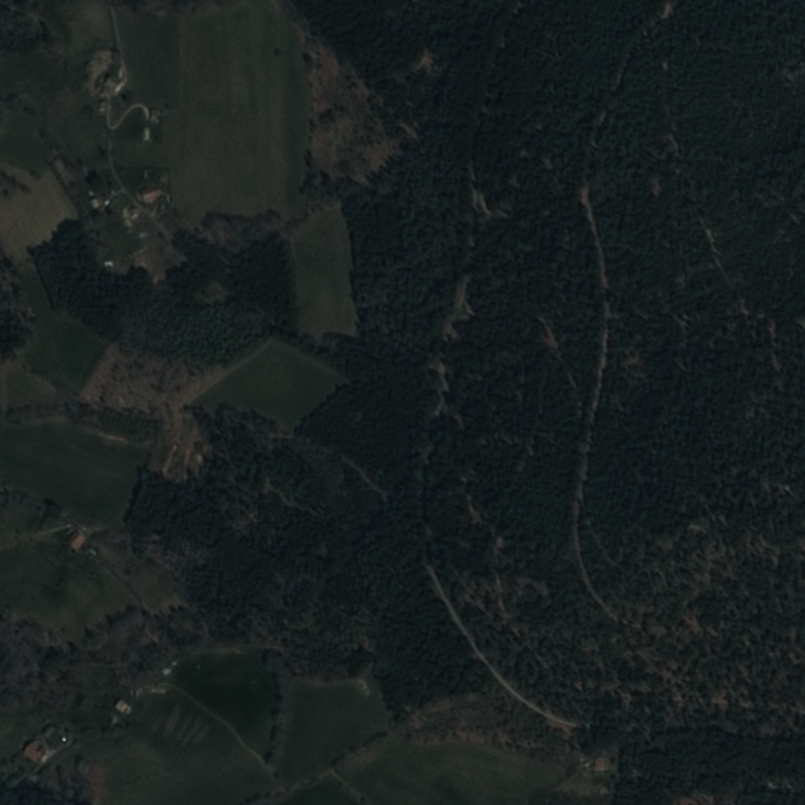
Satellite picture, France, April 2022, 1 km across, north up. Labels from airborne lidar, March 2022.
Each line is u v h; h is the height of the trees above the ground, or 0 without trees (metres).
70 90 0
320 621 5
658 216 9
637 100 11
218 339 10
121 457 0
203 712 0
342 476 11
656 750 18
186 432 0
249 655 0
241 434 26
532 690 22
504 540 9
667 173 6
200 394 0
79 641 0
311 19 23
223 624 28
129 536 12
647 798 24
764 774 26
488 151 12
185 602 13
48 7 0
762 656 15
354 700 0
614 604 22
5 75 0
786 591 19
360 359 25
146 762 0
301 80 0
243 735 0
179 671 0
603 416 14
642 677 18
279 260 19
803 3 23
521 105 11
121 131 0
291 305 21
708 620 17
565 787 0
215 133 0
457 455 11
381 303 24
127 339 12
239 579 26
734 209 7
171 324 12
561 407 6
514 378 11
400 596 20
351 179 0
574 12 11
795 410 16
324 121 9
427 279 29
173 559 27
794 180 10
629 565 8
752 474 15
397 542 22
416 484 21
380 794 0
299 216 0
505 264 8
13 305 23
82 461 0
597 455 7
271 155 0
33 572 0
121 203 0
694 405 11
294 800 0
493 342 14
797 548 20
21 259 0
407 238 22
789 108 7
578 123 8
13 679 21
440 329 29
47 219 0
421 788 0
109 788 0
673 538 17
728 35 9
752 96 5
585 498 6
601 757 16
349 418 10
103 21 0
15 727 0
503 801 0
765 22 13
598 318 13
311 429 11
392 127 10
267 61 0
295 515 10
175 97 0
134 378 9
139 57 0
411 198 19
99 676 0
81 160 0
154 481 21
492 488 10
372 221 20
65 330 0
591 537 6
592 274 9
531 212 13
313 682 10
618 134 14
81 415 17
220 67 0
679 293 9
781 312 8
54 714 11
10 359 18
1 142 0
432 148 24
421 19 23
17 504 19
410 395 22
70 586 0
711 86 8
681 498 14
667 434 8
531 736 12
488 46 27
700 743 25
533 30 10
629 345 7
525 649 22
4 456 0
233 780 0
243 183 0
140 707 0
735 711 23
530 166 17
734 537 21
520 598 21
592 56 12
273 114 0
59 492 0
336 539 22
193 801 0
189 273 19
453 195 23
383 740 14
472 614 16
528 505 10
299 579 16
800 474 13
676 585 22
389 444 13
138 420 11
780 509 21
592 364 8
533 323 15
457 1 23
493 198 13
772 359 8
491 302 12
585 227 15
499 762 0
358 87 7
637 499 9
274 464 26
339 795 0
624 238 16
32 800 22
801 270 7
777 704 7
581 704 18
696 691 25
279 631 13
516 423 8
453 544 12
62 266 27
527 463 8
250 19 0
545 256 7
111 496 0
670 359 14
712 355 13
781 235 13
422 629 22
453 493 18
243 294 16
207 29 0
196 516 26
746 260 8
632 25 13
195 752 0
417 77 10
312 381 0
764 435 15
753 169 9
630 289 8
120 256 0
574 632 23
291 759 0
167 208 0
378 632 13
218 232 25
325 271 0
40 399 0
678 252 8
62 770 7
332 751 0
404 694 12
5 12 16
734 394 7
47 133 0
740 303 18
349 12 23
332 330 0
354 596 9
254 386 0
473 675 18
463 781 0
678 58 6
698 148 18
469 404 10
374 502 10
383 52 23
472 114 31
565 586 10
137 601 0
